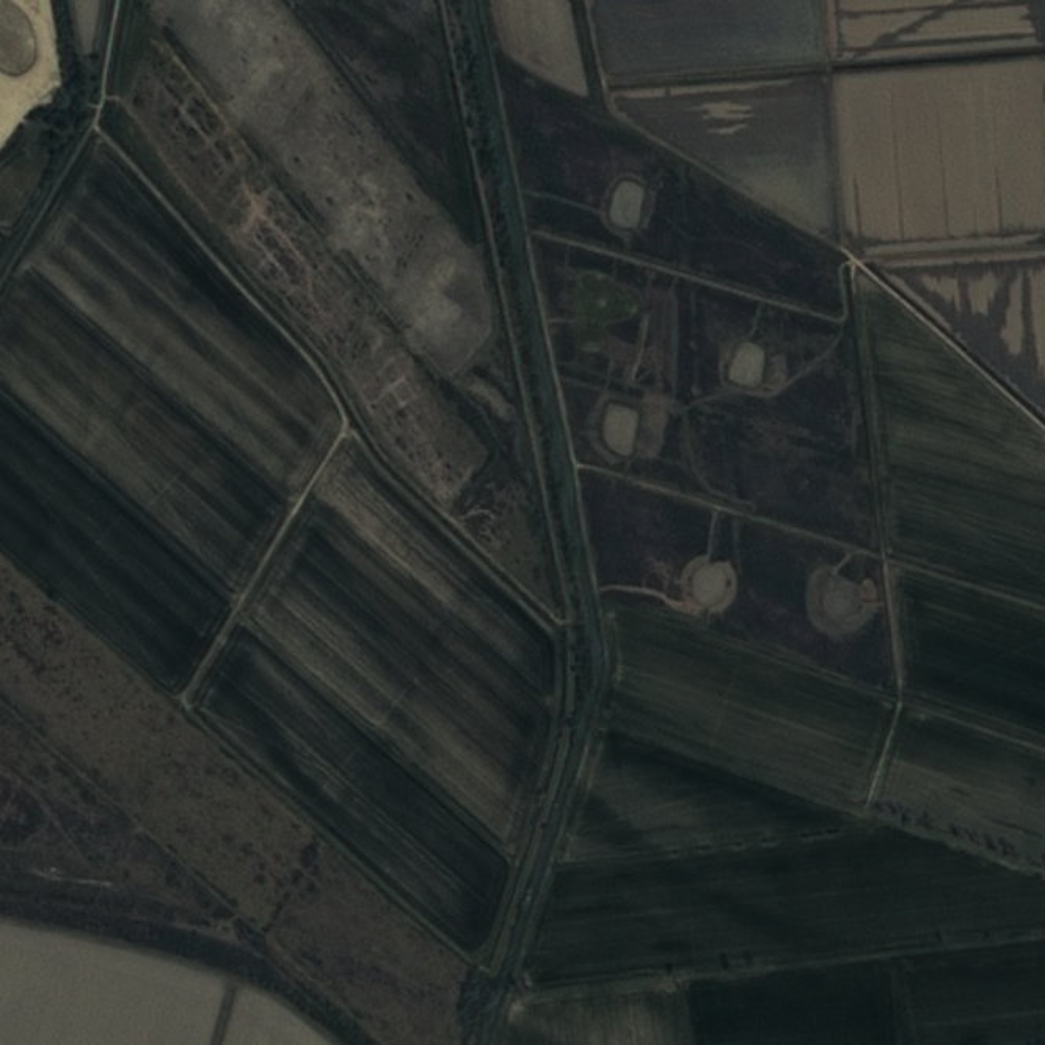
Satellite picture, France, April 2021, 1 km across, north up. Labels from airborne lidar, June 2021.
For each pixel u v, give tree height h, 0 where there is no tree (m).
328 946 0
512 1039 0
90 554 0
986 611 0
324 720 0
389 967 0
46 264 0
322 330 0
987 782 0
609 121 0
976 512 0
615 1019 0
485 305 0
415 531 0
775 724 0
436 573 0
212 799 0
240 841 0
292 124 0
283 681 0
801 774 0
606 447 0
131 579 0
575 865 0
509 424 0
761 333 0
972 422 0
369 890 0
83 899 0
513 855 0
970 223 0
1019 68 0
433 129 0
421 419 0
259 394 0
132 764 0
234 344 0
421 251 0
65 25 5
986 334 0
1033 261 0
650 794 0
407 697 0
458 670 0
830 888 0
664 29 0
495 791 0
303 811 0
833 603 0
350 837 0
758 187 0
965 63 0
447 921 0
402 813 0
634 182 0
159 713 0
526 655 0
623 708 0
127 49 0
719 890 0
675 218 0
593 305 0
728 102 0
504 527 0
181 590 0
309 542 0
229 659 0
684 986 0
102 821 0
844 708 0
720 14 0
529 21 0
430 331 0
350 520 0
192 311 0
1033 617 0
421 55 0
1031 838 0
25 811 0
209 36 0
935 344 0
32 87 0
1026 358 0
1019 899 0
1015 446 0
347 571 0
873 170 0
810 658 0
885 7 0
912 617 0
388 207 0
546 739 0
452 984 0
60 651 0
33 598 0
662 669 0
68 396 0
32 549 0
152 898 0
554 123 0
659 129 0
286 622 0
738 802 0
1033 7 0
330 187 0
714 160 0
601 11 0
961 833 18
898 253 0
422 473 0
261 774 0
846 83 0
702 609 0
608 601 0
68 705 0
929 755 0
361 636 0
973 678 0
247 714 0
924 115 0
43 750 0
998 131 0
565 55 0
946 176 0
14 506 0
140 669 0
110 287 0
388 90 0
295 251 0
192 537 0
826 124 0
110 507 0
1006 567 0
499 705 0
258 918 0
